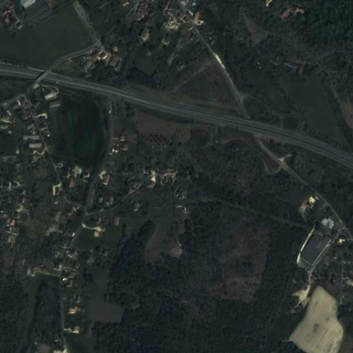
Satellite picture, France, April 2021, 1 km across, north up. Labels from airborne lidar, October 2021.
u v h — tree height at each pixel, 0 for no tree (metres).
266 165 0
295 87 0
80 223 0
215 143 7
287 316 9
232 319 18
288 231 16
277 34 17
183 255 9
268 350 9
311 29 18
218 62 0
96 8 10
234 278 10
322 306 0
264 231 15
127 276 22
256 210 15
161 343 19
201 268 18
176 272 10
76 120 0
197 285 19
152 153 7
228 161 20
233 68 20
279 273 8
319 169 26
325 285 11
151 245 0
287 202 20
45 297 22
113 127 0
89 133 0
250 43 8
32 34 0
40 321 23
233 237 15
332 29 25
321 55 19
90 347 0
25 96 12
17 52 0
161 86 11
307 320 0
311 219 20
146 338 25
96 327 12
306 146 0
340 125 12
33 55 0
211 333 23
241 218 20
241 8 22
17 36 0
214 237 15
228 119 0
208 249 15
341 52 17
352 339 0
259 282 9
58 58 0
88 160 0
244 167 6
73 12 0
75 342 19
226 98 0
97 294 0
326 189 25
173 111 0
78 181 8
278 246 18
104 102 16
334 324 0
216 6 20
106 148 11
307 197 25
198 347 19
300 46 19
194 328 13
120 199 8
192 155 10
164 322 20
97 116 0
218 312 14
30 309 0
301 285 0
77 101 0
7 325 12
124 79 9
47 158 17
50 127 11
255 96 12
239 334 15
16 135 0
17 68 0
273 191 24
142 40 9
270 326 7
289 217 14
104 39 17
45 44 0
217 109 0
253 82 0
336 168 16
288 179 16
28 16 0
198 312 9
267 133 0
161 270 8
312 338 0
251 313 20
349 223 8
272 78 9
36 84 0
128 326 15
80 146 0
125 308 11
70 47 0
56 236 21
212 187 24
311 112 0
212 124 6
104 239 0
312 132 7
